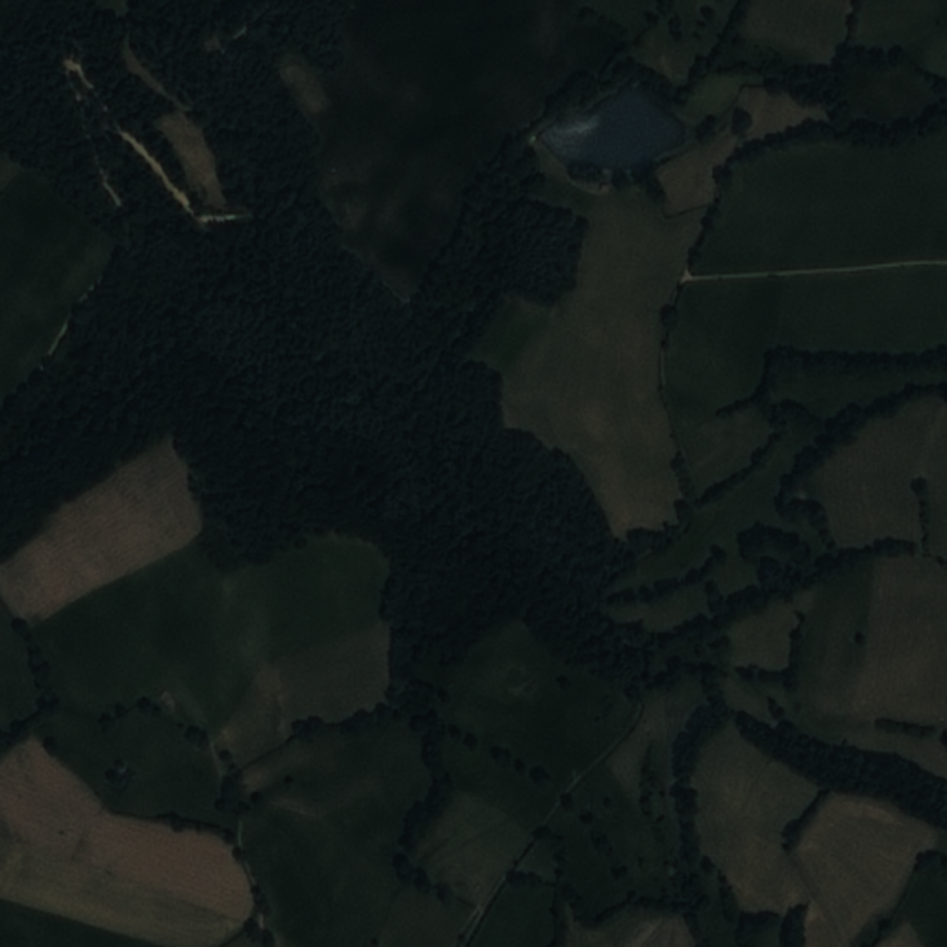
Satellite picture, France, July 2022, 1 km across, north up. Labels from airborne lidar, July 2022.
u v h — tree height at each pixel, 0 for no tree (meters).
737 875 0
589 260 0
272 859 0
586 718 0
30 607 0
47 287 0
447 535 31
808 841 0
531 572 25
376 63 0
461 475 17
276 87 12
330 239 20
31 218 0
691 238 0
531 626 20
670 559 0
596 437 0
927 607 0
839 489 0
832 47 0
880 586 0
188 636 0
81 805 0
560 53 0
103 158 30
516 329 0
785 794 0
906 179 0
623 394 0
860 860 0
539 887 13
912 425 0
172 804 0
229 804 17
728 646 21
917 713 0
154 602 0
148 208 15
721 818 0
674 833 0
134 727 0
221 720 0
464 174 0
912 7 0
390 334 19
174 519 0
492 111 0
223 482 19
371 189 0
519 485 16
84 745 0
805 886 0
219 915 0
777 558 0
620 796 0
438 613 28
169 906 0
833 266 0
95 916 0
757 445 0
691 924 16
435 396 13
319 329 21
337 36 10
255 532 21
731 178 19
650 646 11
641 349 0
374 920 0
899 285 0
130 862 0
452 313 18
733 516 0
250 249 9
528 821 0
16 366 0
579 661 23
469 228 12
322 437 34
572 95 17
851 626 0
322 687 0
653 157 0
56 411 20
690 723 0
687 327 0
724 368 0
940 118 19
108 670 0
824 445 20
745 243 0
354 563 0
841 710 0
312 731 18
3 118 21
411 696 13
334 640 0
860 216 0
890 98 0
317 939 0
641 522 0
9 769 0
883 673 0
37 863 0
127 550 0
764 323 0
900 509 0
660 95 15
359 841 0
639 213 0
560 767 0
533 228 25
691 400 0
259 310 25
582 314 0
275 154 16
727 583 0
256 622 0
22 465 31
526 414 0
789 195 0
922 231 0
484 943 0
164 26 13
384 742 0
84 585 0
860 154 0
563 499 20
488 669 0
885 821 0
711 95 0
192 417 22
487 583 23
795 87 14
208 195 0
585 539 10
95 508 0
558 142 0
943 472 0
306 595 0
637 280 0
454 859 0
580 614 14
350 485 31
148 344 15
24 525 25
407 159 0
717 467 0
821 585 15
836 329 0
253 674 0
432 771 21
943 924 0
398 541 24
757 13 0
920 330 0
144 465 0
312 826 0
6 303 0
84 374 16
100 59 30
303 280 24
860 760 21
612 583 19
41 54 28
